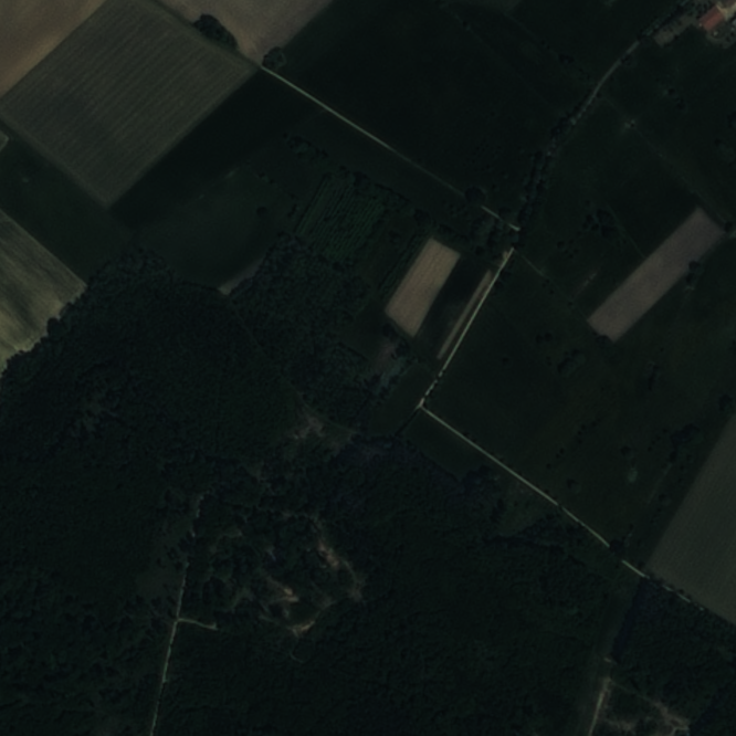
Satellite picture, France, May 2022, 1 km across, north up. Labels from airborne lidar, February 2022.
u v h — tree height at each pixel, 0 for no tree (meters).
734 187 0
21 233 0
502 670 9
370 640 16
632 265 0
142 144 0
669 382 0
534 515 0
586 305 0
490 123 0
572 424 0
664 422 0
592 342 0
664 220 0
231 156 0
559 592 26
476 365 0
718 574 0
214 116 0
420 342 0
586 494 0
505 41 0
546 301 0
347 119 0
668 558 0
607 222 17
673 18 11
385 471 22
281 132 0
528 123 0
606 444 0
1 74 0
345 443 0
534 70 0
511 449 0
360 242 6
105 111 0
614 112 0
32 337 0
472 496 25
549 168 10
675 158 0
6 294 0
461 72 0
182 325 8
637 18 0
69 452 18
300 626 0
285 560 28
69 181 0
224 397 8
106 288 11
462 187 0
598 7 0
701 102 0
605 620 0
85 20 0
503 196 0
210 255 0
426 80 0
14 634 25
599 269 0
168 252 0
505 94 0
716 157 0
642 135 0
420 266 0
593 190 0
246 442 9
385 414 0
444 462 0
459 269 0
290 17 0
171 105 0
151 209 0
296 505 11
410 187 0
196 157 0
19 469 18
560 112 0
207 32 14
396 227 0
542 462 0
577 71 15
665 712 0
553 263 0
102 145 0
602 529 0
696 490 0
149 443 17
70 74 0
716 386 0
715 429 0
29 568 25
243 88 0
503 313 0
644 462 0
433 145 0
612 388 0
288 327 10
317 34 0
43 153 0
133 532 16
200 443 9
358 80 0
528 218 13
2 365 0
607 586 7
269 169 0
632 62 14
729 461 0
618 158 0
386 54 0
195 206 0
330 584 29
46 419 11
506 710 13
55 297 0
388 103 0
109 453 19
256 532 26
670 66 0
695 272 13
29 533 20
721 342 0
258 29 0
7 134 0
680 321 0
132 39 0
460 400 0
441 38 0
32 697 28
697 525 0
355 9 0
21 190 0
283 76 0
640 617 25
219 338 9
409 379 0
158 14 0
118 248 0
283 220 0
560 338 0
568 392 0
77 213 0
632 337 0
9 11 0
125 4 0
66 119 0
